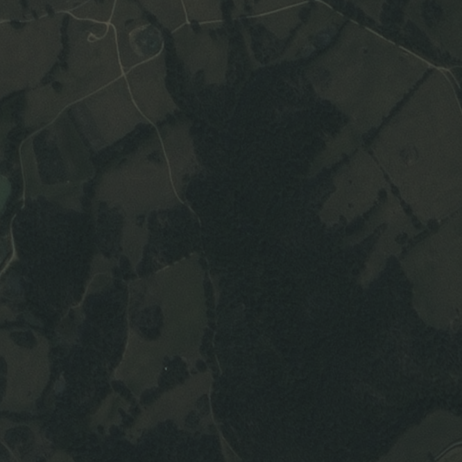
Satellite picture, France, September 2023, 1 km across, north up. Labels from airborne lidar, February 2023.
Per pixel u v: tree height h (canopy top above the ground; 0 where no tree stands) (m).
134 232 0
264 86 17
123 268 17
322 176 10
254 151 13
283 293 23
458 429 0
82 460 16
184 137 0
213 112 20
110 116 0
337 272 20
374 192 0
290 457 21
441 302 0
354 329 24
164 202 0
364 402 15
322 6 0
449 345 14
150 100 0
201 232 17
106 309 14
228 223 26
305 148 12
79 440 24
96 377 7
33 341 14
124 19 0
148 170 0
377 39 0
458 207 0
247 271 20
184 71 8
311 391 20
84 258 16
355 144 0
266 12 0
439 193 0
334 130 18
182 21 0
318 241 18
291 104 13
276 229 19
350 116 0
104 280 0
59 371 17
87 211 9
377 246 0
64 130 0
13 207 11
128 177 0
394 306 19
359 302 20
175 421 0
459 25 0
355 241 0
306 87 13
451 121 0
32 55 0
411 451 0
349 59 0
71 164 0
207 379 0
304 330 19
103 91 0
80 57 0
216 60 0
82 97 0
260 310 20
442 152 0
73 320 15
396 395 18
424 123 0
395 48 0
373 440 16
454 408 10
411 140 0
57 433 15
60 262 14
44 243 21
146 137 19
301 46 0
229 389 6
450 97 0
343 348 17
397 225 0
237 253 22
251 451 24
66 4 0
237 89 8
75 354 15
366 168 0
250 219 23
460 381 13
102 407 0
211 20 0
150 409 0
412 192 0
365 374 16
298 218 13
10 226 0
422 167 0
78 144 0
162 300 0
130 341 0
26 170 0
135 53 0
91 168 0
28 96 0
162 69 0
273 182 22
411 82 0
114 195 0
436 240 0
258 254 20
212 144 22
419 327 15
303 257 21
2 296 0
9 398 0
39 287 20
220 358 6
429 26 16
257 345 16
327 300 19
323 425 20
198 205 23
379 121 0
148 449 15
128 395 21
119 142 7
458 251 0
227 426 21
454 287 0
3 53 0
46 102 0
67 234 20
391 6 13
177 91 17
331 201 0
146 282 0
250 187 16
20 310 8
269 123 15
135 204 0
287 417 22
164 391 9
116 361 17
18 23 7
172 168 0
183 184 0
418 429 0
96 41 0
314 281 20
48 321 20
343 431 25
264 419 24
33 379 0
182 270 0
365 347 15
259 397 17
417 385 12
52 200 0
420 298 0
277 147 11
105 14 0
